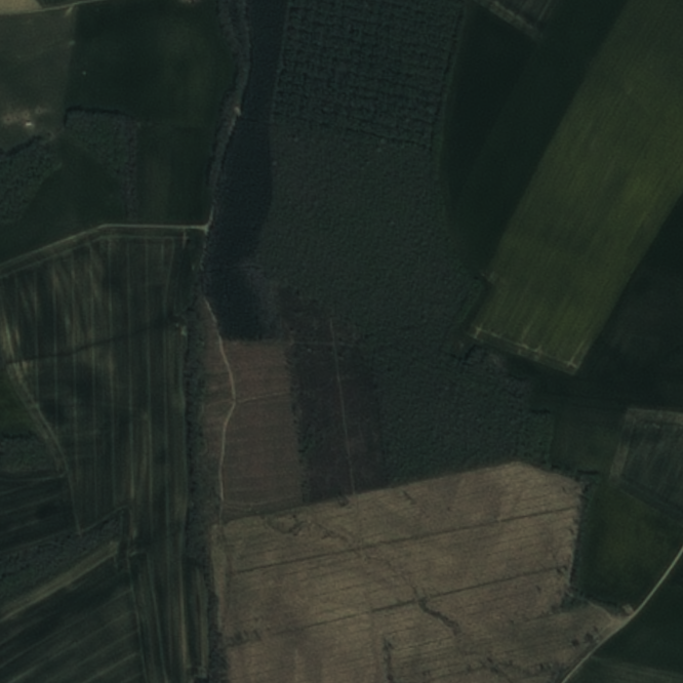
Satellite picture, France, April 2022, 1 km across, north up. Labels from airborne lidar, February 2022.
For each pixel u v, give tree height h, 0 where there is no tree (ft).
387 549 0
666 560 0
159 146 0
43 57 0
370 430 0
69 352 0
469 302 42
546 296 0
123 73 0
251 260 51
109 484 0
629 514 0
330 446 0
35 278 0
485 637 0
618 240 0
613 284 0
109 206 0
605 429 0
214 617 46
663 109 0
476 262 0
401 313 38
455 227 0
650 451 0
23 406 0
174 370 0
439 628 0
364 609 0
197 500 45
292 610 0
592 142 0
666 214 0
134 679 0
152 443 0
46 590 0
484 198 0
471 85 0
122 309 0
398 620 0
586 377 0
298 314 37
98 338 0
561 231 0
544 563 0
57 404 0
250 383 0
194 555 49
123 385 0
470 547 0
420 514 0
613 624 0
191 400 54
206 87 0
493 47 0
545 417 49
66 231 0
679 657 0
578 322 0
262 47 47
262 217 43
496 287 0
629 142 0
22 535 0
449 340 40
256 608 0
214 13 0
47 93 0
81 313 0
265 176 52
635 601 0
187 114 0
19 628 0
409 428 40
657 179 0
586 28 0
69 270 0
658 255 0
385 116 71
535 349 0
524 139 0
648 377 0
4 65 0
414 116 50
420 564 0
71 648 0
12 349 0
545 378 0
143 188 0
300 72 61
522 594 0
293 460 0
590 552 0
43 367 0
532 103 0
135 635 0
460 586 0
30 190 66
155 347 0
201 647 0
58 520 0
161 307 0
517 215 0
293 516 0
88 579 0
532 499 0
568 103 0
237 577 0
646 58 0
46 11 0
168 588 0
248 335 49
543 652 0
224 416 0
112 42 0
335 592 0
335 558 0
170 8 0
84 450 0
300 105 66
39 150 51
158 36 0
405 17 39
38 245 0
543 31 0
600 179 0
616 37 0
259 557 0
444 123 34
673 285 0
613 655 0
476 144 0
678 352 0
